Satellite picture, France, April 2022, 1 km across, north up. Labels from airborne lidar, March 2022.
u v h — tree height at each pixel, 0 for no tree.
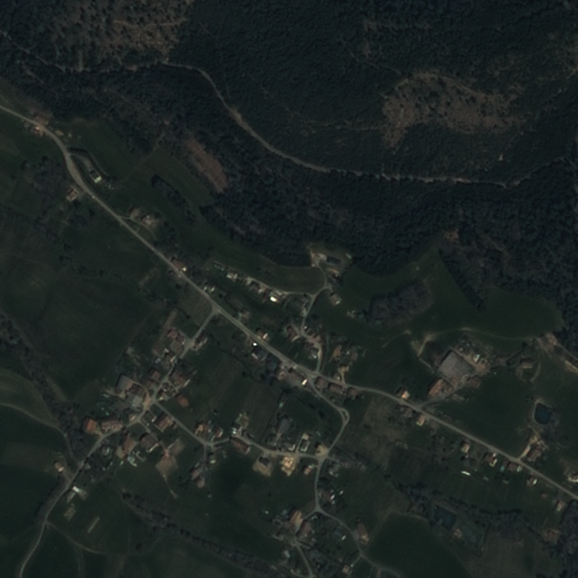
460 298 0
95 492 0
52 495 11
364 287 0
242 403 0
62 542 0
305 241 24
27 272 0
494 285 25
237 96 9
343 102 18
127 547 0
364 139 7
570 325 13
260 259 0
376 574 0
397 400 0
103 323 0
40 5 15
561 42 11
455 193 12
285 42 15
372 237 18
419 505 11
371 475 0
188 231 0
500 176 13
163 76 26
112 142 0
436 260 0
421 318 0
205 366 0
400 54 15
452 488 0
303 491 0
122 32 0
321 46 19
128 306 0
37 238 0
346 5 15
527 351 14
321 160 9
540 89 11
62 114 21
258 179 15
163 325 0
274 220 17
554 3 21
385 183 20
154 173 0
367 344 0
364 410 0
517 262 8
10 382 0
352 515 0
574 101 13
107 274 9
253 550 0
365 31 16
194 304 0
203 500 0
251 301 0
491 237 15
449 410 0
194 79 16
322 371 0
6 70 20
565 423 0
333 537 0
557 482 0
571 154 9
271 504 0
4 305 0
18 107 0
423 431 0
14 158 0
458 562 0
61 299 0
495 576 0
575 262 6
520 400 0
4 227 0
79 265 0
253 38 15
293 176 11
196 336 0
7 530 0
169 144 6
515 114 6
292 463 0
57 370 0
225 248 0
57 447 0
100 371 0
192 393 0
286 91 17
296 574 0
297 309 0
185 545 0
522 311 0
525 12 21
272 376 15
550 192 21
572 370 0
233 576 0
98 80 17
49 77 14
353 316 0
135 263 0
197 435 0
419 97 30
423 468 0
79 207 17
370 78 14
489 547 0
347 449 0
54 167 15
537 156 9
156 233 0
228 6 17
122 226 0
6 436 0
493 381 0
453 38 17
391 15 19
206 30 19
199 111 29
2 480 0
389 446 0
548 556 0
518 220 31
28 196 0
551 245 28
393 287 0
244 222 26
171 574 0
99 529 0
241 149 9
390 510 0
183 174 0
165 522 11
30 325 0
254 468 0
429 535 0
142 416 0
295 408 0
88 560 0
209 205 0
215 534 0
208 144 26
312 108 15
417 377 0
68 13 21
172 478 0
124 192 0
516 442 0
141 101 31
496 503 0
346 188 14
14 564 0
